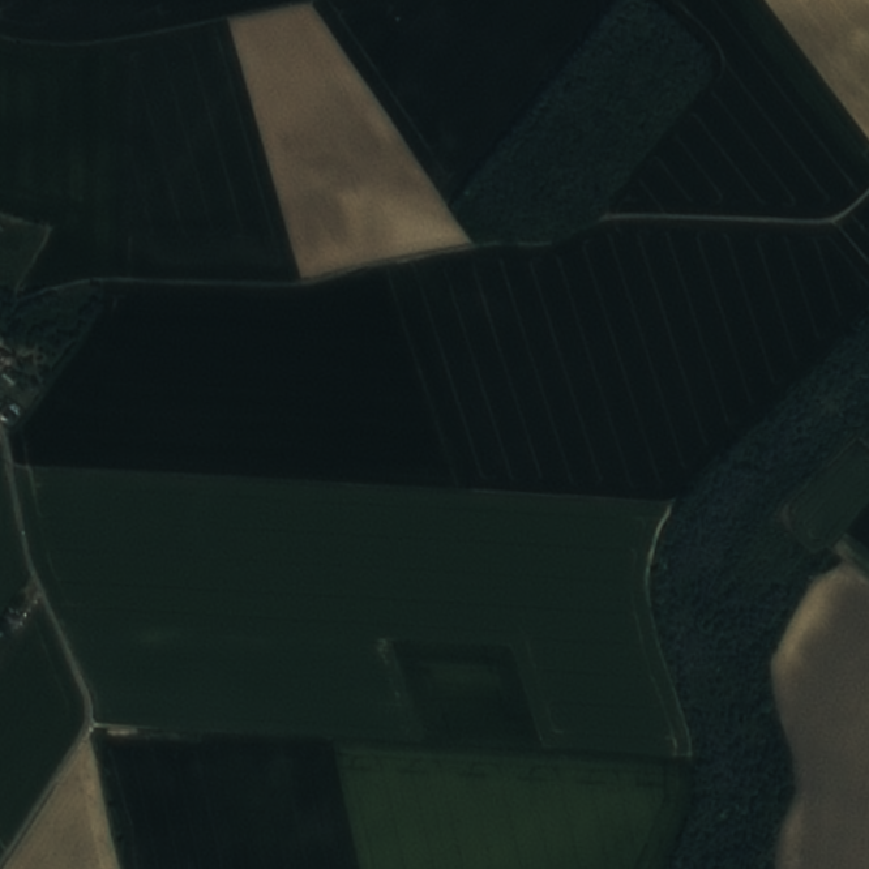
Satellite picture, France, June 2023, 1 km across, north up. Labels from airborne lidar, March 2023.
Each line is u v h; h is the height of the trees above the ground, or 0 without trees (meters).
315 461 0
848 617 0
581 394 0
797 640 0
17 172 0
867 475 0
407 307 0
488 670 0
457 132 0
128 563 0
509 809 0
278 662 0
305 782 0
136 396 0
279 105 0
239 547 0
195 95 0
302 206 0
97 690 0
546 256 0
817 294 0
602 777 0
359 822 0
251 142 0
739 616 9
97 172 0
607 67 21
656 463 0
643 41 21
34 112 0
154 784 0
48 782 0
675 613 13
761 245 0
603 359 0
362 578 0
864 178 0
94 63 0
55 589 0
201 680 0
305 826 0
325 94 0
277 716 0
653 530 0
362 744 0
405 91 0
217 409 0
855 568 0
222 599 0
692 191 0
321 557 0
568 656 0
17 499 0
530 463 0
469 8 0
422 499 0
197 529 0
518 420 0
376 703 0
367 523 0
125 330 0
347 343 0
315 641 0
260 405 0
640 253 0
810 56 0
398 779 0
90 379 0
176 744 0
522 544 0
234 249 0
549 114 21
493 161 16
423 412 0
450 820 0
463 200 12
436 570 0
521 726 0
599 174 21
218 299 0
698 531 13
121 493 0
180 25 0
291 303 0
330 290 0
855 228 0
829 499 0
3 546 0
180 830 0
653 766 0
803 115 0
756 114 0
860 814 0
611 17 17
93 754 0
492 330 0
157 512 0
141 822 0
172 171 0
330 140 0
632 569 0
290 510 0
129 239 0
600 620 0
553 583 0
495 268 0
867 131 0
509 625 0
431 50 0
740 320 0
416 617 0
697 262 0
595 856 0
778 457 11
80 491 0
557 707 0
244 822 0
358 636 0
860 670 0
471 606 0
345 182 0
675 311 0
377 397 0
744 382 0
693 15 0
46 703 0
